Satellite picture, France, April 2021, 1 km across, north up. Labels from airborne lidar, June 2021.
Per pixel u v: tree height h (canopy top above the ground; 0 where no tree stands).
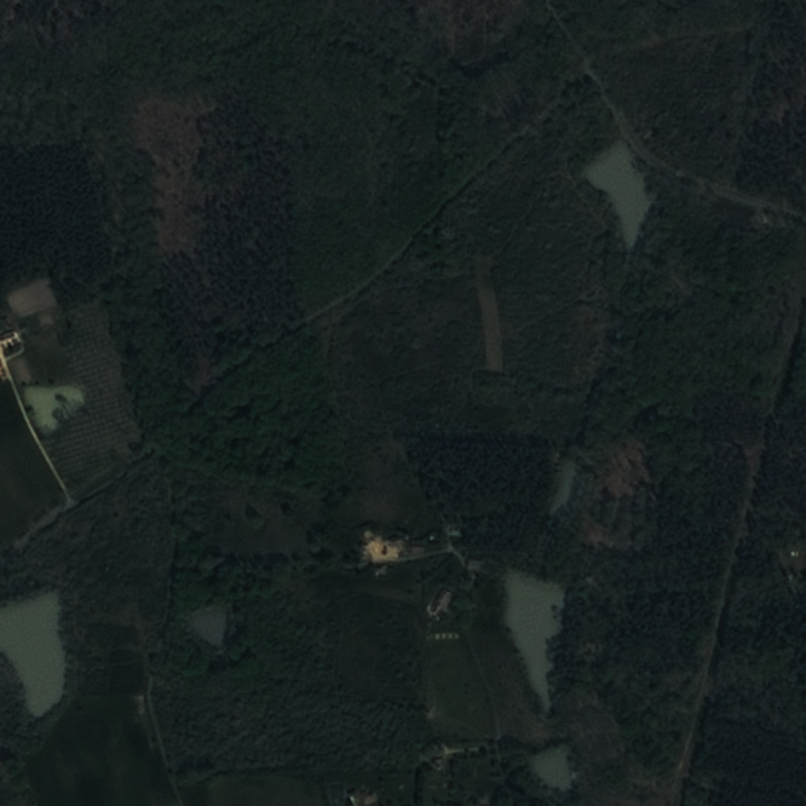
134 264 25
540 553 32
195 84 20
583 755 18
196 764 10
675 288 13
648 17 21
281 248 24
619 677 17
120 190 13
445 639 0
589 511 16
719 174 9
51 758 0
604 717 17
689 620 23
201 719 10
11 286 14
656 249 11
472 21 16
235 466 16
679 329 19
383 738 9
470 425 7
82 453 21
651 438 27
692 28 16
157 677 8
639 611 23
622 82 9
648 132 9
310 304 16
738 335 19
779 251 17
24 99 22
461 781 0
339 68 20
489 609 0
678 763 12
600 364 10
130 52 21
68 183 17
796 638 25
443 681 0
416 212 15
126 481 7
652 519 22
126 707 0
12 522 0
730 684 14
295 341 19
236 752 7
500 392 8
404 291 5
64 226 17
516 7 9
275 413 19
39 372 0
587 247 8
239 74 21
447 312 0
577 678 19
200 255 6
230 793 0
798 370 18
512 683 0
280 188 26
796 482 23
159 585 7
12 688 7
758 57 17
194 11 17
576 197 9
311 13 23
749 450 15
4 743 10
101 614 0
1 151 19
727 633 21
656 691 16
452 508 13
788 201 10
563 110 14
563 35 19
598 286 9
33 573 10
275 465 17
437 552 0
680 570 10
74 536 7
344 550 0
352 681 0
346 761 11
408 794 0
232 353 26
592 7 22
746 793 17
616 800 17
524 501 22
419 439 15
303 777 5
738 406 20
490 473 17
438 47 19
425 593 7
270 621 10
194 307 23
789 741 16
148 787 0
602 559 15
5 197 18
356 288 18
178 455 17
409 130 14
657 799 15
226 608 7
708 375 25
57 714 8
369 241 17
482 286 0
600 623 6
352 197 16
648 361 21
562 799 14
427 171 13
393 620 8
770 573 20
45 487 0
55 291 12
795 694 18
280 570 20
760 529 24
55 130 18
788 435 23
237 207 27
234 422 22
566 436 9
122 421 19
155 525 7
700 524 24
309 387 24
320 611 0
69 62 20
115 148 18
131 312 22
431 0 15
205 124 14
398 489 0
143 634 0
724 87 6
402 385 5
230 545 0
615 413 23
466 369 6
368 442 6
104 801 0
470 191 6
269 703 7
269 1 25
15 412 0
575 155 11
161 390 26
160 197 11
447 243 14
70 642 6
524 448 21
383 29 18
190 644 18
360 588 0
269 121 16
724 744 19
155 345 28
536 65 17
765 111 6
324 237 21
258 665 18
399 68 32
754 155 10
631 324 21
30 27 19
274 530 0
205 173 12
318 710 7
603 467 16
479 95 20
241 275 23
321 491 17
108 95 20
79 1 21
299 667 11
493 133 17
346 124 18
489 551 19
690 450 25
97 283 18
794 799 18
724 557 22
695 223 14
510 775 16
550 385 6
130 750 0
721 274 23
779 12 24
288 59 17
